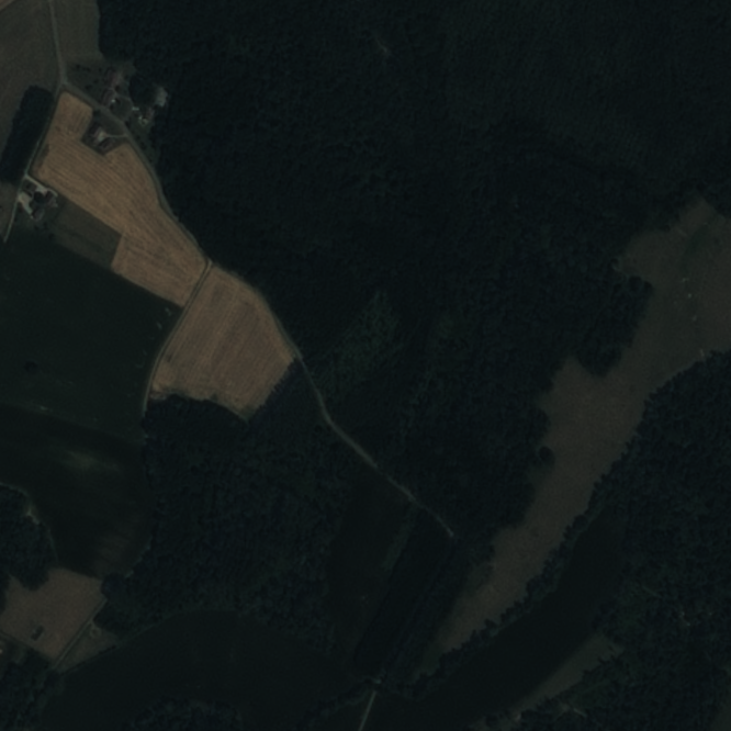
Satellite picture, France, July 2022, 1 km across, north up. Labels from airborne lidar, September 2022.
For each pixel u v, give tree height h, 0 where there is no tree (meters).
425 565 12
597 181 28
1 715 24
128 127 11
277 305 21
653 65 18
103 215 0
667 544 23
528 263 30
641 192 27
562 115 33
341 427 8
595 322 23
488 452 21
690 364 0
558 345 27
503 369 29
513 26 18
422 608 21
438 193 26
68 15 0
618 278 15
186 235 0
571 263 27
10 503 20
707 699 19
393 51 23
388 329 28
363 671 11
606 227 29
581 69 25
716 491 19
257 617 13
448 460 17
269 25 18
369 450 16
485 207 22
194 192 11
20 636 0
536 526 0
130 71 0
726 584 19
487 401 28
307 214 28
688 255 0
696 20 22
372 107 18
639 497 19
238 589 20
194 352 0
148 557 15
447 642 0
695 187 9
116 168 0
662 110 20
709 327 0
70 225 0
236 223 14
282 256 19
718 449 11
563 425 0
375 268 15
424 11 21
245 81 19
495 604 0
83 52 0
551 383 23
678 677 22
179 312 0
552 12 13
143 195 0
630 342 20
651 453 19
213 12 21
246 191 27
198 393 0
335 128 18
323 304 23
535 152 28
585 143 29
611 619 23
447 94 29
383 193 15
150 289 0
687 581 9
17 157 20
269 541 35
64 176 0
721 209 19
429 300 24
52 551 17
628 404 0
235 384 0
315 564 31
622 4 23
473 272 12
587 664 0
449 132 18
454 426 26
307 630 12
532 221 28
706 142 26
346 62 12
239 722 14
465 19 31
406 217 25
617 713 10
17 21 0
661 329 0
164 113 10
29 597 0
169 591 21
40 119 19
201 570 21
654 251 0
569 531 13
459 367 8
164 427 19
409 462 20
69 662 0
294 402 27
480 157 23
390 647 12
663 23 22
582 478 0
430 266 22
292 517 33
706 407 14
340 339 12
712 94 21
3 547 23
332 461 23
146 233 0
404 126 26
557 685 0
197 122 16
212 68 19
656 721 13
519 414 25
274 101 23
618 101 18
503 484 23
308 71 19
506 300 26
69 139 0
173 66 23
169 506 16
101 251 0
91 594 0
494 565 0
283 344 0
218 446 18
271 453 20
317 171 23
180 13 24
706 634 24
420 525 13
